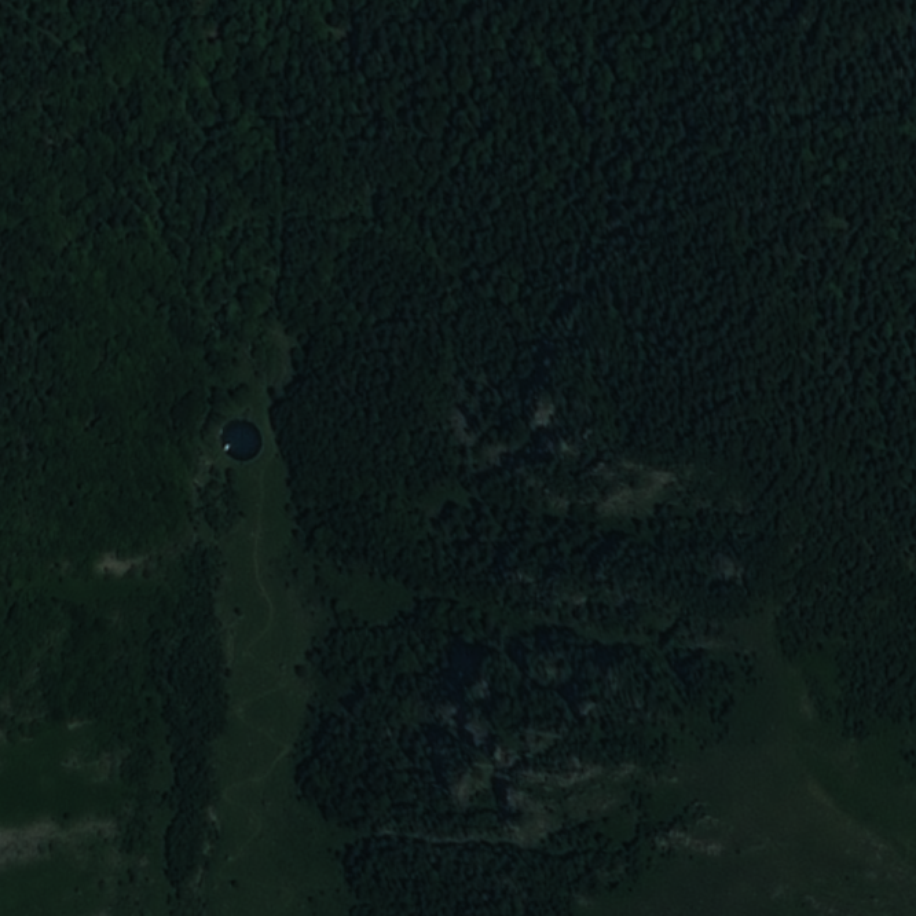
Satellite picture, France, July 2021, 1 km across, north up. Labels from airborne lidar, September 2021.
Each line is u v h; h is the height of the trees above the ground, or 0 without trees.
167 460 24
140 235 28
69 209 10
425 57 18
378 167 25
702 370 29
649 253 24
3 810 0
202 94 25
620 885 9
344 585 0
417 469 17
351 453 22
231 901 0
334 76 15
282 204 19
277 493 0
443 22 32
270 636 0
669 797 0
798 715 0
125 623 7
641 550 22
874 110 28
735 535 18
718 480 8
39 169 23
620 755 12
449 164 31
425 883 18
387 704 19
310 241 28
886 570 12
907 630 12
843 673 8
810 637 20
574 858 11
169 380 30
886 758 0
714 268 21
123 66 26
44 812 0
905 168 10
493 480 23
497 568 23
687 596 8
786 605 11
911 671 12
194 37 26
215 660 7
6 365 23
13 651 19
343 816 17
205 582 9
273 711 0
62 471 25
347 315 20
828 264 29
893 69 19
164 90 26
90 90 26
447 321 18
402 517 21
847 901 0
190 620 13
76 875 0
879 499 8
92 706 12
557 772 6
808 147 20
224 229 13
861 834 0
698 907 0
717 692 9
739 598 9
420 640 7
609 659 20
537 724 10
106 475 22
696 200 21
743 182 27
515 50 28
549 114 23
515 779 11
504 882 7
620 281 21
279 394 16
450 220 28
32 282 28
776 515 9
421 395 20
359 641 20
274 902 0
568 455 9
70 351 29
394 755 18
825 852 0
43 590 11
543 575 11
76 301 25
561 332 14
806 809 0
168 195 24
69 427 26
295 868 0
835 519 21
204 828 11
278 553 0
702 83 27
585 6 16
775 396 27
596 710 6
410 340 20
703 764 0
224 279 12
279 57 27
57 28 31
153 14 22
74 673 27
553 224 26
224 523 6
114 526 25
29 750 0
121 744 11
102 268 23
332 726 21
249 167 19
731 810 0
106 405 29
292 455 20
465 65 32
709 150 30
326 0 21
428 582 21
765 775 0
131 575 8
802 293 27
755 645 0
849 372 24
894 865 0
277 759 0
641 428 24
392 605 0
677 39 27
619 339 19
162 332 29
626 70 29
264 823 0
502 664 11
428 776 24
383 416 24
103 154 26
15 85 22
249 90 21
